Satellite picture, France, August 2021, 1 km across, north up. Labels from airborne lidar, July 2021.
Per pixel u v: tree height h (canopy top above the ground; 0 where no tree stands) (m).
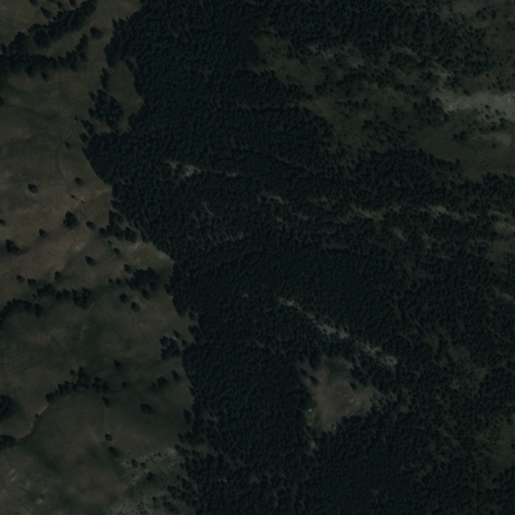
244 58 21
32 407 0
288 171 19
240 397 23
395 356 10
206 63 11
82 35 0
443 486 14
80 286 0
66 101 0
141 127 21
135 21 19
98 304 0
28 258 0
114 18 0
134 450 0
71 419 0
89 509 0
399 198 8
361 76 11
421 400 16
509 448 0
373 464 22
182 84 24
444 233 13
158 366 0
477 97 0
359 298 20
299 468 24
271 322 27
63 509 0
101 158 23
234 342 26
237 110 17
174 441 0
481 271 14
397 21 13
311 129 20
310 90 0
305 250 24
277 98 21
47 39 25
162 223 19
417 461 12
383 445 21
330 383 0
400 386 12
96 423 0
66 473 0
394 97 0
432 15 12
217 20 23
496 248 0
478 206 10
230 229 12
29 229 0
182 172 17
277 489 14
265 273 23
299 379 26
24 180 0
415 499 24
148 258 0
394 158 12
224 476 15
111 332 0
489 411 12
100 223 0
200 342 22
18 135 0
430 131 0
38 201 0
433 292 18
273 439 20
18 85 0
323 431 0
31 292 0
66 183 0
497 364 12
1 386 0
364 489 27
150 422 0
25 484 0
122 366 19
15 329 0
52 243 0
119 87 0
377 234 13
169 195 19
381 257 18
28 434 0
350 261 23
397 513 23
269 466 21
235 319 21
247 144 20
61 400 0
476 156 0
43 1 0
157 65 23
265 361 12
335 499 19
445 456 14
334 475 22
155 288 23
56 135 0
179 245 13
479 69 9
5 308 0
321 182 18
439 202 8
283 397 24
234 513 24
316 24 14
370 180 15
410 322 19
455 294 15
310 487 21
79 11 18
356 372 12
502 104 0
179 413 0
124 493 0
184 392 0
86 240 0
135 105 0
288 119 19
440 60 9
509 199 7
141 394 0
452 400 10
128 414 0
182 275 28
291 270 24
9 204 0
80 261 0
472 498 11
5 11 0
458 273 12
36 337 0
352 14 11
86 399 0
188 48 24
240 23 24
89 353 0
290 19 15
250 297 9
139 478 0
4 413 24
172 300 0
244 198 20
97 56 0
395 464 20
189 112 23
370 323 16
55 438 0
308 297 17
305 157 18
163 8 20
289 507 25
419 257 10
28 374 0
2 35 0
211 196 23
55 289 13
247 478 18
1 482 0
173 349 19
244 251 25
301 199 19
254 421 18
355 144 0
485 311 14
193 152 23
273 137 24
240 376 21
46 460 0
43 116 0
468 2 0
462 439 11
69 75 0
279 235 20
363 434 16
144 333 0
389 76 12
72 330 0
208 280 26
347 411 0
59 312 0
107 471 0
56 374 0
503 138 0
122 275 0
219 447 20
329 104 0
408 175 14
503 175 0
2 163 0
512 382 13
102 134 0
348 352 17
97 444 0
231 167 21
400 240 9
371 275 16
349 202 11
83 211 0
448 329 9
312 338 17
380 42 13
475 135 0
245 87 22
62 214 0
